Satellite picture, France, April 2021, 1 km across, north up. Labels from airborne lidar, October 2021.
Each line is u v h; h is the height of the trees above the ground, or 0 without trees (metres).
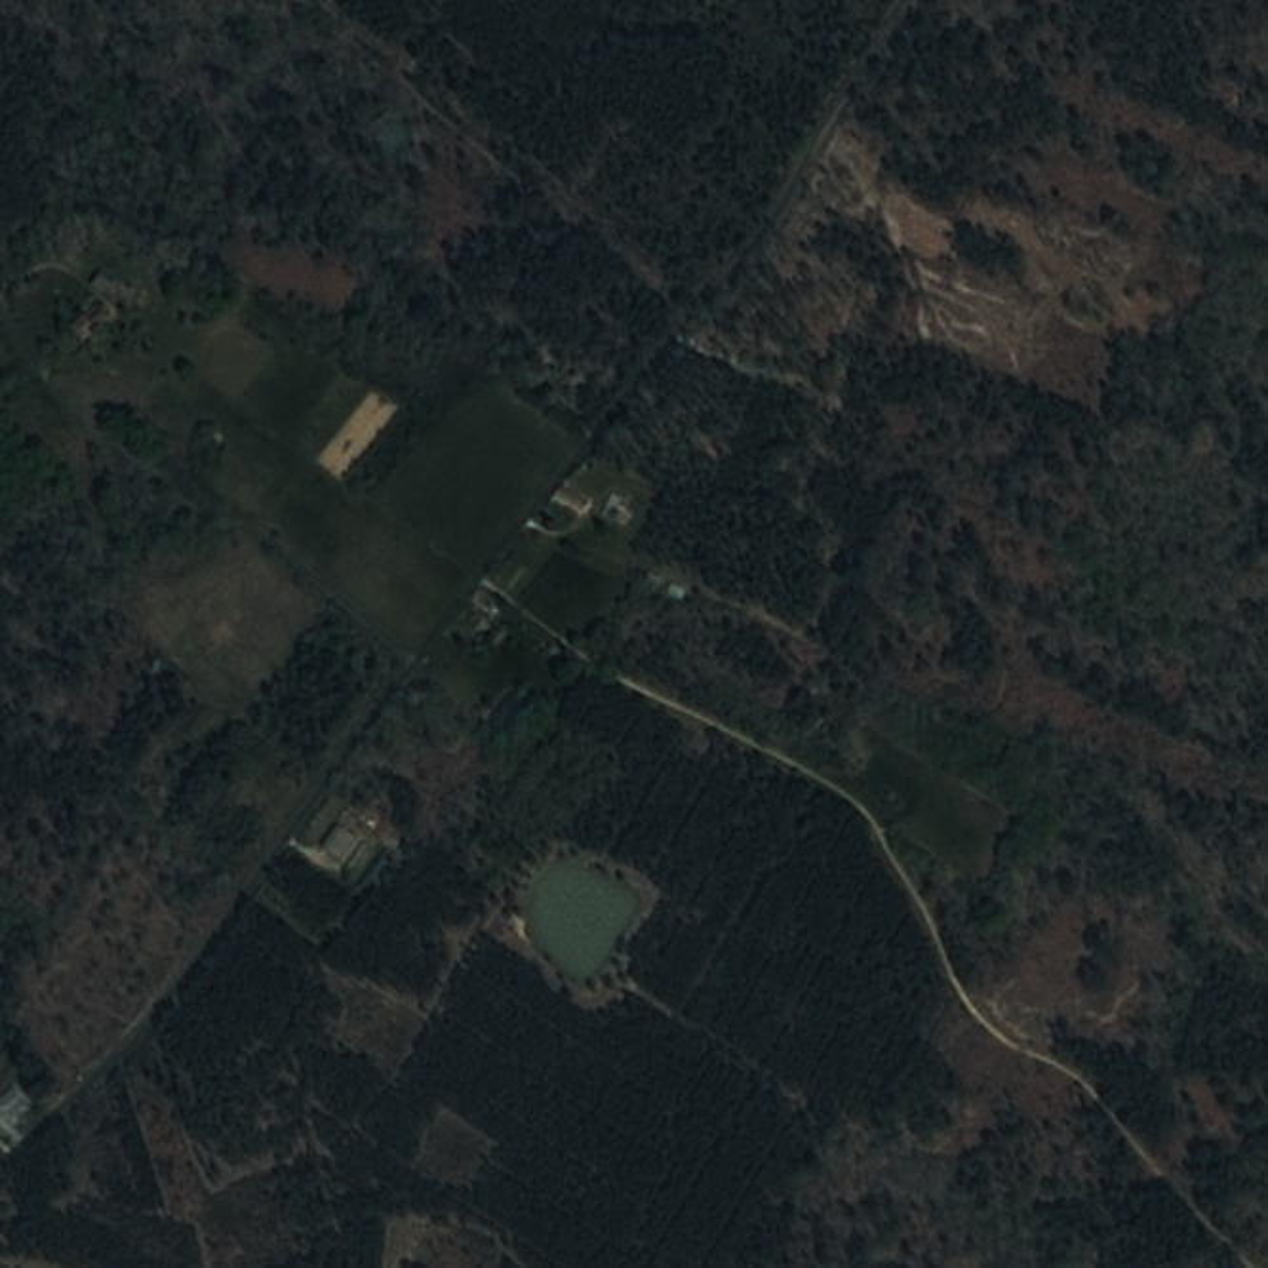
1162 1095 24
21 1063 23
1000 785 19
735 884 16
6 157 21
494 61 13
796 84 10
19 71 12
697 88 0
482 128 10
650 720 16
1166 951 0
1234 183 13
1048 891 24
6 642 20
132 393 0
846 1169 14
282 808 0
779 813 17
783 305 14
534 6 12
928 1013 22
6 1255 14
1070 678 23
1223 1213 23
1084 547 20
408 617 0
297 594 0
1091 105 9
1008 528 12
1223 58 6
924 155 13
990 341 0
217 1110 19
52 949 14
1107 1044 8
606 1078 18
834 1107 20
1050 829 17
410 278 16
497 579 12
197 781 16
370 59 23
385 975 15
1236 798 10
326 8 25
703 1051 18
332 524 0
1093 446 9
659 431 18
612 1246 19
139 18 26
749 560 7
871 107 16
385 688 0
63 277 0
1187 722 18
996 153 21
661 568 16
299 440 0
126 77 11
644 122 0
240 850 9
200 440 12
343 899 17
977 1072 0
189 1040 19
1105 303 18
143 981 12
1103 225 11
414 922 17
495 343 15
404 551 0
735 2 7
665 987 16
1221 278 18
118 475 7
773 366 17
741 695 7
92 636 15
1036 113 24
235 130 18
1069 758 18
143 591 0
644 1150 20
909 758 7
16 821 23
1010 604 17
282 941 16
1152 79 19
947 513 19
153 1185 9
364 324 14
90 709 10
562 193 8
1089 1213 15
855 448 13
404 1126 15
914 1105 32
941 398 17
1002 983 15
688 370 17
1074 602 13
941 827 0
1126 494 19
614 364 17
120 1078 9
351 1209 16
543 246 23
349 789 11
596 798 13
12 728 20
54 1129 17
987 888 10
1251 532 15
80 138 20
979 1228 10
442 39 9
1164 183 15
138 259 17
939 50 17
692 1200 14
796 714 13
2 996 14
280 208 12
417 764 7
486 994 16
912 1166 18
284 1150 10
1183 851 21
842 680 16
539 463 0
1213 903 20
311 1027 17
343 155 23
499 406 0
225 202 7
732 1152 19
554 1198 21
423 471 0
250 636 0
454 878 19
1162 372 23
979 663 24
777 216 0
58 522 19
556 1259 16
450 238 8
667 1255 18
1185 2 18
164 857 12
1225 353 20
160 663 12
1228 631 11
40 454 23
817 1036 16
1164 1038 14
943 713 13
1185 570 16
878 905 21
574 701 17
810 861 18
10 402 8
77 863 19
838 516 20
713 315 18
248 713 6
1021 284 8
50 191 15
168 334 0
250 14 15
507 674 0
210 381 0
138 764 18
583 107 0
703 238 10
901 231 0
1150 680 11
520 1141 17
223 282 23
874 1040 19
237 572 0
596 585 0
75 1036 13
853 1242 13
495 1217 16
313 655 15
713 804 12
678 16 0
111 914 14
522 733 21
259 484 0
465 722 21
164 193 12
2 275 19
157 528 14
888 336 15
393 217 8
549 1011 16
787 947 14
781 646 7
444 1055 17
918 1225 11
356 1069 19
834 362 15
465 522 0
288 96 9
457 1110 14
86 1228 13
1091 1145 17
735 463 14
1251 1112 15
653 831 14
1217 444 13
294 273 0
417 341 9
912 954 17
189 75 7
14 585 17
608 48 0
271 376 0
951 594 11
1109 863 19
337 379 0
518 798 15
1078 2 7
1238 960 19
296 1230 24
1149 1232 21
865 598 24
